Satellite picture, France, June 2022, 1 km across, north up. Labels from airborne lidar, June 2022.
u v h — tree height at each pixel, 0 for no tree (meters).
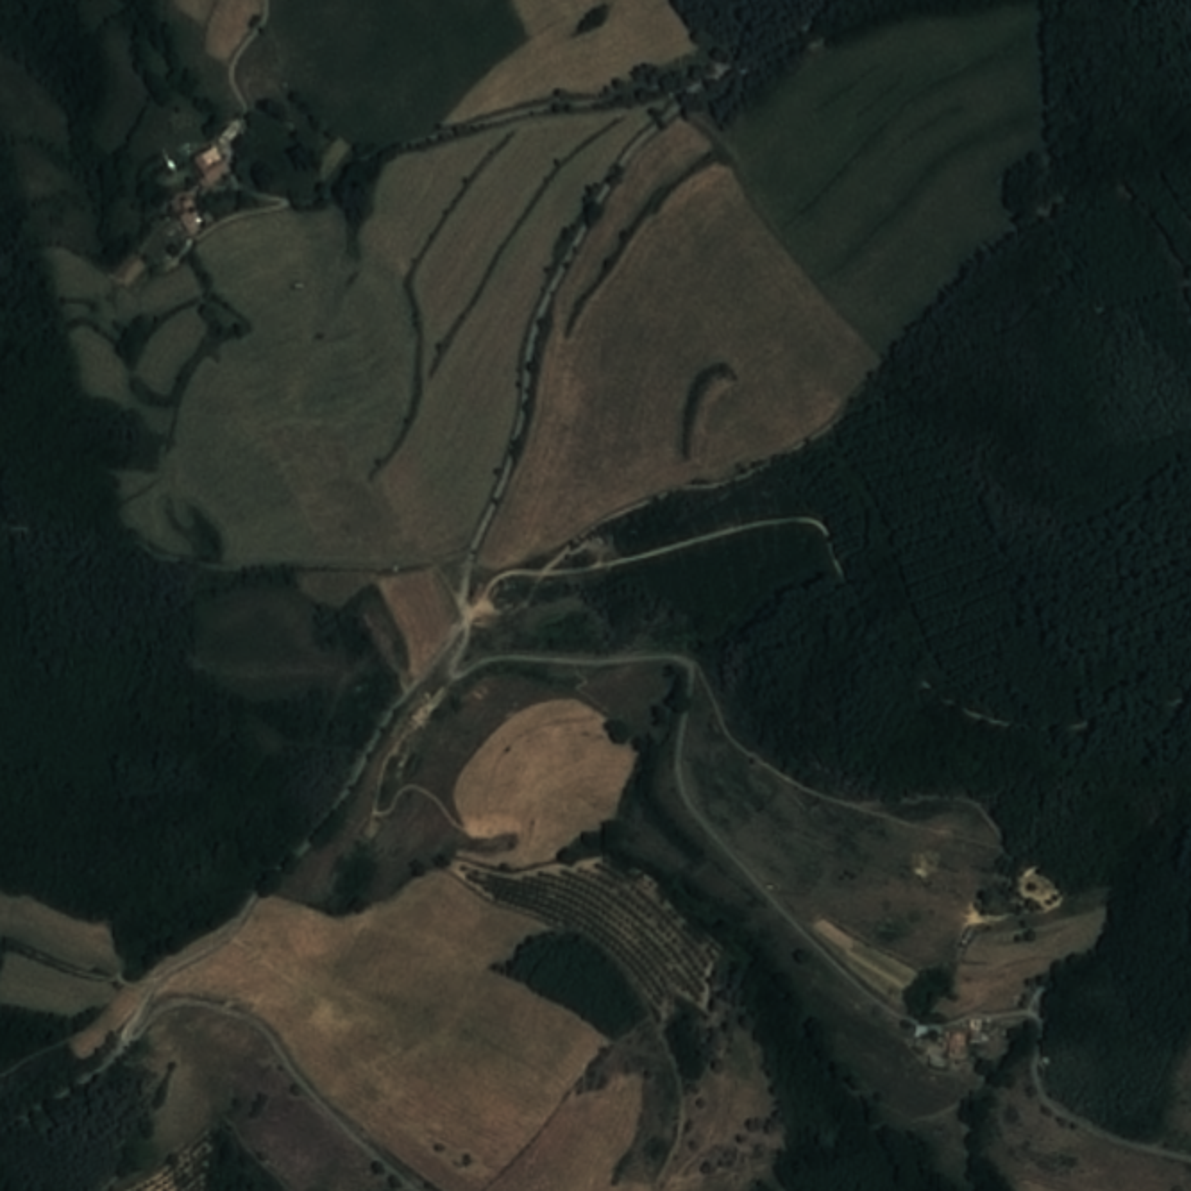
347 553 0
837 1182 14
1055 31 20
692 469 0
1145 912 17
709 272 0
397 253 0
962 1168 0
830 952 0
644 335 0
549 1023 0
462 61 0
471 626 0
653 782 11
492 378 0
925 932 0
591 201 8
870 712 21
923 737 12
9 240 12
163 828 11
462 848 0
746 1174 0
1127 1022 6
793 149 0
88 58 14
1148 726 25
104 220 8
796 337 0
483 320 0
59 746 7
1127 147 16
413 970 0
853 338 0
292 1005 0
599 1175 0
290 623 0
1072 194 17
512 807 0
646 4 0
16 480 15
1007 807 16
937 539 12
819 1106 8
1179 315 16
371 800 0
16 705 7
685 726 0
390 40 0
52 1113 20
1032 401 16
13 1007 7
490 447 0
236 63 0
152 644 10
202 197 7
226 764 7
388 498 0
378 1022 0
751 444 0
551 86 0
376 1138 0
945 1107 0
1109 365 10
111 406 11
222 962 0
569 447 0
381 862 0
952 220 0
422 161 0
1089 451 15
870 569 8
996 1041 0
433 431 0
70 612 15
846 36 9
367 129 0
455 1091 0
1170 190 14
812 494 14
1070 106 14
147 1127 9
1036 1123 0
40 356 7
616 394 0
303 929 0
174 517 0
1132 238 16
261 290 0
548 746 0
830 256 0
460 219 0
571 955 15
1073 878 14
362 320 0
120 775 20
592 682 0
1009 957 0
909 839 0
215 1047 0
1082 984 7
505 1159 0
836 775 10
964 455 9
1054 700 16
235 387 0
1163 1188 0
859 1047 0
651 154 0
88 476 13
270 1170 0
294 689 0
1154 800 16
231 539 0
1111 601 29
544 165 0
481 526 0
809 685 8
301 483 0
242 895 0
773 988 12
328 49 0
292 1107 0
